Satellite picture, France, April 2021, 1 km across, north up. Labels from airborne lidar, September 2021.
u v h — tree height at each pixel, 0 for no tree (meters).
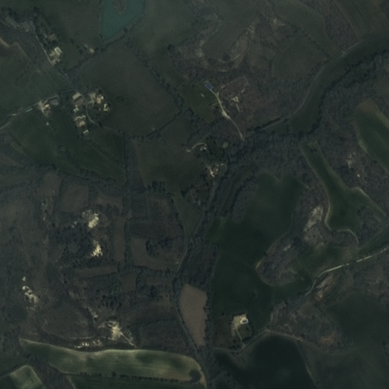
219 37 0
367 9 0
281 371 0
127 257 17
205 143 0
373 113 0
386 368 0
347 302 0
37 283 0
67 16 0
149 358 0
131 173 12
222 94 14
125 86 0
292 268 0
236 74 16
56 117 0
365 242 16
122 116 0
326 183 0
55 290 7
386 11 0
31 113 0
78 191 0
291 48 0
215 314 0
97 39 0
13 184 0
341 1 0
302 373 0
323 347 8
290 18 0
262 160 19
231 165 11
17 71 0
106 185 6
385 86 0
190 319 0
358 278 15
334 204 0
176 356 0
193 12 14
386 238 0
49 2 0
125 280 0
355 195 0
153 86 0
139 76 0
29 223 0
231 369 0
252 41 11
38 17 7
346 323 0
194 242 16
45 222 7
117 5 12
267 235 0
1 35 19
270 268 7
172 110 0
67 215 6
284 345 0
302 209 9
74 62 0
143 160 0
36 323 0
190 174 0
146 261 0
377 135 0
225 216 7
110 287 8
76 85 16
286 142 22
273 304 0
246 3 0
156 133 8
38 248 0
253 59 0
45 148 0
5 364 0
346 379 0
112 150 0
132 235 6
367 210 16
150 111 0
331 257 0
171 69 0
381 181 12
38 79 0
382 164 0
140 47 0
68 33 0
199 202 22
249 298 0
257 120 12
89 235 7
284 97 22
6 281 10
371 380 0
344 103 20
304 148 0
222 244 0
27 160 7
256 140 15
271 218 0
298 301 14
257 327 0
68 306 0
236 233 0
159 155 0
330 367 0
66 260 12
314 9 14
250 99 15
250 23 0
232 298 0
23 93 0
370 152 0
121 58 0
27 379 0
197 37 9
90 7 0
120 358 0
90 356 0
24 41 19
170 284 0
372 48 0
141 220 7
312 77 21
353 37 14
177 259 0
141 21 15
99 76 0
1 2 0
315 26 0
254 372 0
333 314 0
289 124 15
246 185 14
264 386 0
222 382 0
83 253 7
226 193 20
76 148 0
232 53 0
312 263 0
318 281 8
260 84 14
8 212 0
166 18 0
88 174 10
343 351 8
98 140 0
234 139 20
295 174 10
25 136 0
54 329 0
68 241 7
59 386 13
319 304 0
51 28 11
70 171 0
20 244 11
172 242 11
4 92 0
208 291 17
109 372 0
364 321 0
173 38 0
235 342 8
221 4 0
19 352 15
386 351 14
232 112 16
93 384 0
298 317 8
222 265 0
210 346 16
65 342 10
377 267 9
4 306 7
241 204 15
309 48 0
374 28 0
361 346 0
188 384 12
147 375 0
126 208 6
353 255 0
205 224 13
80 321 0
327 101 17
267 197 0
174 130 0
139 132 0
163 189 11
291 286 0
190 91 0
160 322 9
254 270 0
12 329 0
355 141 7
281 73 0
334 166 13
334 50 0
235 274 0
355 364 0
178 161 0
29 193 10
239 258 0
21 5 0
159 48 0
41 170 6
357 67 10
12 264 8
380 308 0
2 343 13
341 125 10
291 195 0
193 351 13
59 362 0
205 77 15
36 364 16
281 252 0
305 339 16
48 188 0
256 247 0
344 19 12
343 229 0
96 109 6
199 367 0
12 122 0
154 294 12
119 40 6
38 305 0
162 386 0
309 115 0
